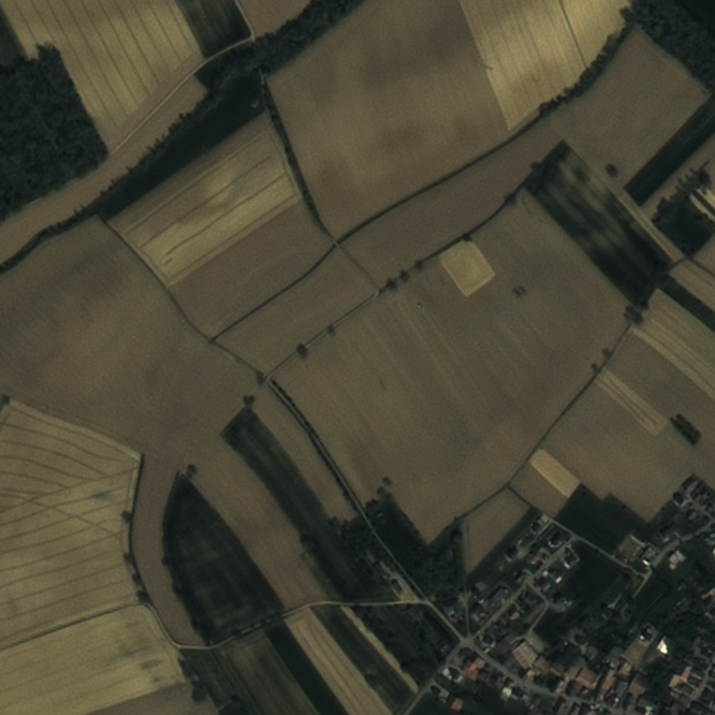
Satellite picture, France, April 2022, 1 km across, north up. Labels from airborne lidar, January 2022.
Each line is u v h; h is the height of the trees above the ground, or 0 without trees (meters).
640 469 0
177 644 0
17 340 0
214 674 0
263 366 0
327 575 0
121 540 0
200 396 0
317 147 0
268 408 0
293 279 0
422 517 0
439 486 0
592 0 0
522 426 0
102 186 0
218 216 0
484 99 0
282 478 0
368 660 0
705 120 0
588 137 0
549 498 0
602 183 0
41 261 0
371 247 0
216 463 0
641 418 0
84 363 0
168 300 0
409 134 0
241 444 0
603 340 0
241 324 0
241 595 0
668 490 0
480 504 0
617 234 0
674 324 0
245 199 0
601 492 0
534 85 0
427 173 0
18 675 0
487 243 0
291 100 0
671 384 0
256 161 0
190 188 0
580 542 0
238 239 0
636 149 0
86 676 0
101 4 0
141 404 0
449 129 0
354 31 0
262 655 0
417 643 0
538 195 0
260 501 0
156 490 0
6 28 0
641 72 0
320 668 0
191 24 0
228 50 0
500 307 0
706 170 0
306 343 0
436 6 0
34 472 0
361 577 0
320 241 0
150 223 0
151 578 0
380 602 0
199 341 0
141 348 0
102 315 0
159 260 0
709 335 0
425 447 0
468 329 0
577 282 0
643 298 0
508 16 0
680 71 0
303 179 0
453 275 0
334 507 0
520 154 0
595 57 0
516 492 0
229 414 0
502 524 0
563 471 0
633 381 0
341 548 0
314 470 0
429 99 0
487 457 0
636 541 0
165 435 0
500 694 0
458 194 0
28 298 0
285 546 0
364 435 0
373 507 7
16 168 24
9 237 0
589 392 0
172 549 0
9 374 0
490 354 0
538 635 0
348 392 0
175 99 0
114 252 0
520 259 0
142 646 0
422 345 0
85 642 0
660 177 0
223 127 0
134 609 0
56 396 0
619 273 0
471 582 0
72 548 0
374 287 0
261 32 0
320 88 0
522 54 0
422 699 0
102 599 0
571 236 0
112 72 0
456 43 0
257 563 0
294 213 0
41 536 0
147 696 0
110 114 0
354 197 0
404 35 0
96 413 0
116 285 0
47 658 0
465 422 0
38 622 0
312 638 0
